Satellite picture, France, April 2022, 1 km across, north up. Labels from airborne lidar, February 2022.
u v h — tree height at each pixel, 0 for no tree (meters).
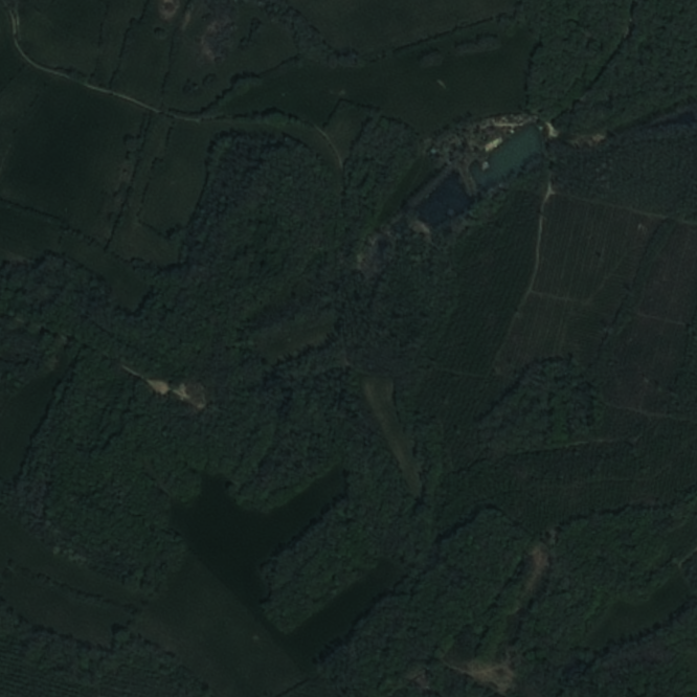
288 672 0
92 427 11
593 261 0
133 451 17
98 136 0
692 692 20
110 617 0
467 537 22
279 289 24
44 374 14
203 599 0
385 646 23
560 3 23
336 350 21
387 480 26
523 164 0
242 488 10
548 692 12
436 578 23
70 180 0
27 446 0
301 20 20
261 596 0
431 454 23
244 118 7
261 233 6
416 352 10
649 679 17
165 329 18
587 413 31
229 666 0
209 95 0
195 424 16
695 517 18
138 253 0
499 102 0
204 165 0
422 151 16
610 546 22
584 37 29
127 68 0
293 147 15
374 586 0
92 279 9
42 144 0
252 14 0
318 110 0
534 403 27
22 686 6
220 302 15
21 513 19
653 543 21
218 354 17
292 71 0
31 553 0
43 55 0
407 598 17
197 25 0
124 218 7
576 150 17
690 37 29
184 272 18
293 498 11
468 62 0
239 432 18
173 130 6
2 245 0
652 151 17
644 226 0
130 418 18
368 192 27
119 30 0
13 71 0
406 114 0
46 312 19
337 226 22
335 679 16
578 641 22
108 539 18
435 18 0
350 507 24
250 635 0
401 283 7
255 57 0
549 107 24
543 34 21
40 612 0
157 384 0
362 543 14
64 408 15
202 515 0
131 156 9
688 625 26
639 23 24
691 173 16
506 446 23
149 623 0
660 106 22
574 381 29
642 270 7
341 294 17
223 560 0
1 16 0
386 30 0
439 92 0
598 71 15
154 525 19
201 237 24
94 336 22
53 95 0
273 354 0
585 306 0
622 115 25
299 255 20
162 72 0
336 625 0
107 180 0
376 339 35
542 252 0
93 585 0
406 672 23
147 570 14
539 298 0
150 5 5
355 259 28
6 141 0
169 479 18
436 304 16
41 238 0
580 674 26
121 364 17
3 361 8
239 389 24
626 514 17
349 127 0
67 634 0
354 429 25
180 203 0
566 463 6
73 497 18
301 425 24
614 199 11
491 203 27
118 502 15
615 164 15
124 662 8
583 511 6
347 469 16
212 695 25
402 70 0
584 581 26
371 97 0
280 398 30
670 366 0
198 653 0
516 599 23
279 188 21
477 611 20
